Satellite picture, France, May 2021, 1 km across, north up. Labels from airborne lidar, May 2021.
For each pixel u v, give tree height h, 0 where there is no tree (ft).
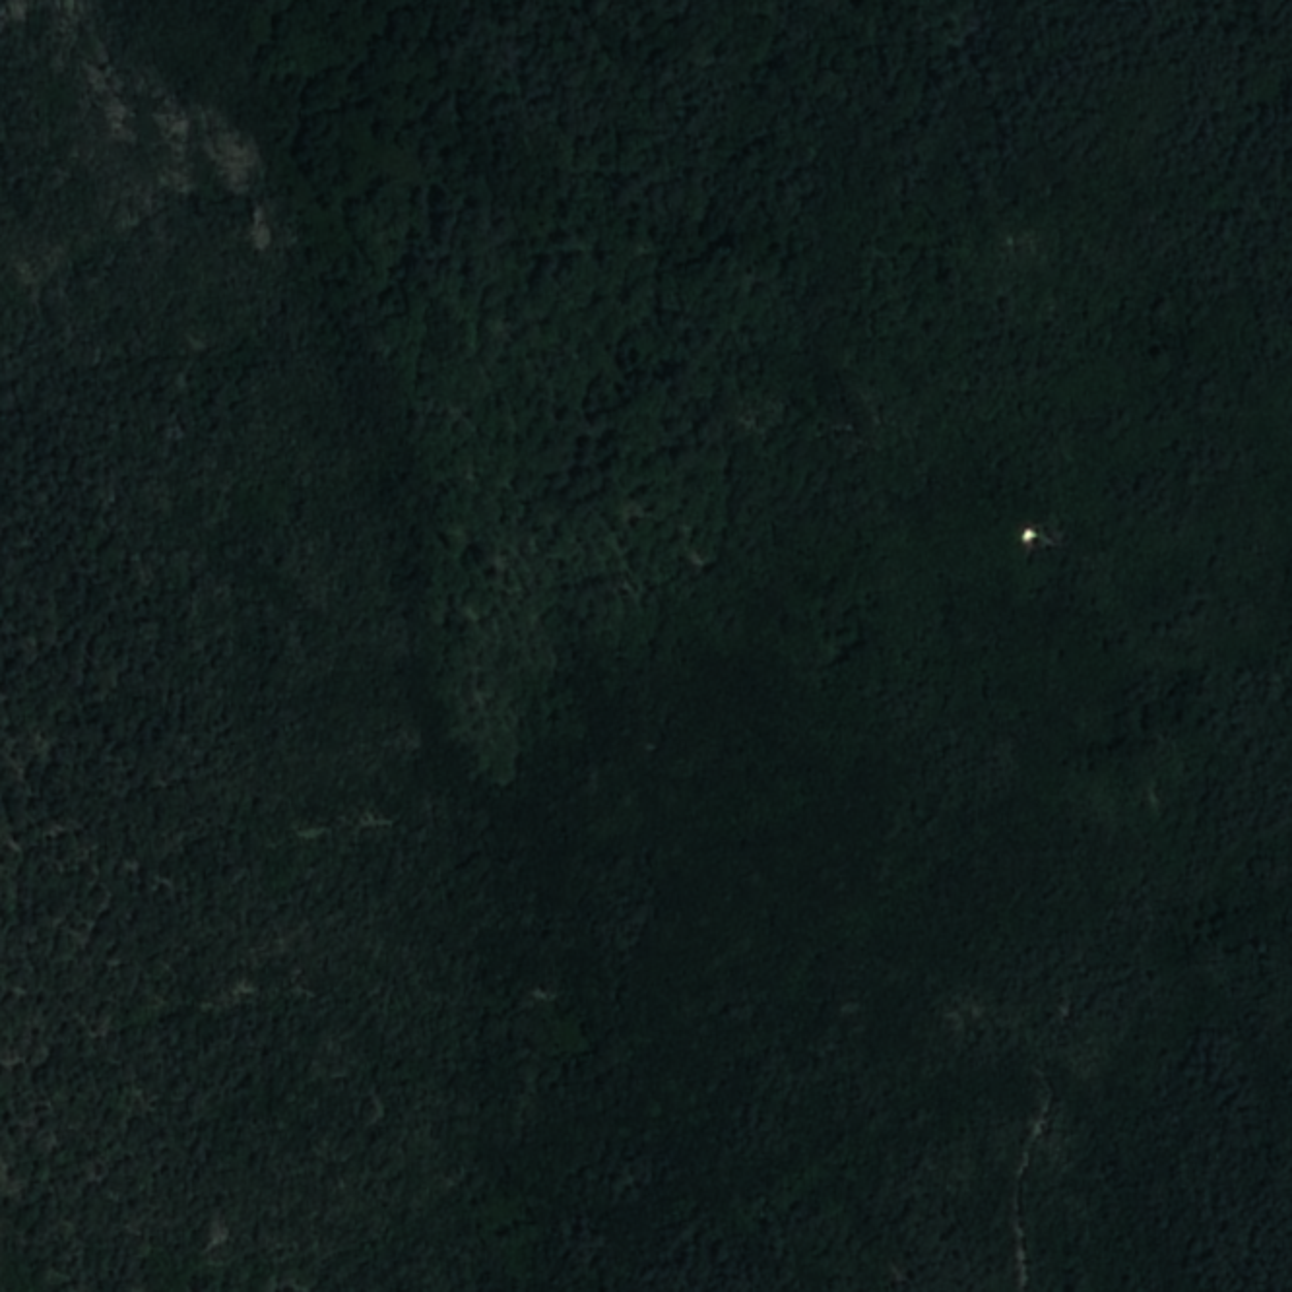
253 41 79
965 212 46
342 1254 23
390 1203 46
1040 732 54
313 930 26
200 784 37
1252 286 60
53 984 32
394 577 52
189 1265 27
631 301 86
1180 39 57
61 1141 31
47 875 42
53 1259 37
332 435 39
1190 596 73
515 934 57
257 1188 23
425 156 58
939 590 59
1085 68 69
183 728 50
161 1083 54
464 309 51
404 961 49
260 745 35
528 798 47
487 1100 53
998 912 41
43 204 23
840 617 45
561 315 72
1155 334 35
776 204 50
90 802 54
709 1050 42
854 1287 63
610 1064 61
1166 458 57
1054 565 41
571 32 79
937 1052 45
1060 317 34
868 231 39
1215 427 58
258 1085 56
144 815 52
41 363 42
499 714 59
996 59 50
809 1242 55
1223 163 58
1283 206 62
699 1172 58
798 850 41
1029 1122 33
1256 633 48
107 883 28
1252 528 46
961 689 66
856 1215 52
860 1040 41
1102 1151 50
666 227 66
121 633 52
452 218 98
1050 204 30
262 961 24
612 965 49
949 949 54
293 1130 29
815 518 52
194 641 36
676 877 50
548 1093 52
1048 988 38
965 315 26
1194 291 76
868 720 72
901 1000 49
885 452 23
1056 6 63
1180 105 33
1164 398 48
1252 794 38
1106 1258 48
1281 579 44
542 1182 47
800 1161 48
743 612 59
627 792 34
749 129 59
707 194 34
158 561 48
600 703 54
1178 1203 55
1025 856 65
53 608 56
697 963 34
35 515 52
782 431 42
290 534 28
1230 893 62
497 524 91
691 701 49
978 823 61
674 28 72
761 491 67
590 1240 78
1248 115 56
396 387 76
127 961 51
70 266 20
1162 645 54
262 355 59
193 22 50
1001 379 51
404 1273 54
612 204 58
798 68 56
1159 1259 52
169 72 47
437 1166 33
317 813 30
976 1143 32
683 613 56
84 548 49
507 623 70
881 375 33
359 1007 35
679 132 44
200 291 39
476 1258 48
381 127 55
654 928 46
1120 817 36
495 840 50
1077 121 52
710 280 64
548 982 42
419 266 94
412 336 61
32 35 32
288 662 22
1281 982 58
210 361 35
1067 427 44
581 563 52
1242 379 38
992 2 40
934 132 67
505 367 58
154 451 35
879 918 56
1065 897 52
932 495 48
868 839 40
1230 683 46
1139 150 27
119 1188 50
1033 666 60
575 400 76
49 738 39
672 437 47
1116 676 48
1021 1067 61
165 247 24
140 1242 55
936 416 44
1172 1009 73
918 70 48
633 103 53
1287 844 54
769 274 62
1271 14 43
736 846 52
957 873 63
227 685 28
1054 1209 34
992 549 59
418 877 40
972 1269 52
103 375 62
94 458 49
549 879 58
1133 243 34
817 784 60
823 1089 43
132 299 33
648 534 58
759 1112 51
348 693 21
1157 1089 45
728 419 49
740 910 31
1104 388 37
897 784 38
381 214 72
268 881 32
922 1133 45
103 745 45
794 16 37
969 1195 36
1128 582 42
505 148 74
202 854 62
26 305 24
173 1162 35
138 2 48
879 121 63
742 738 55
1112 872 53
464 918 32
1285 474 44
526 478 63
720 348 50
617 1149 50
